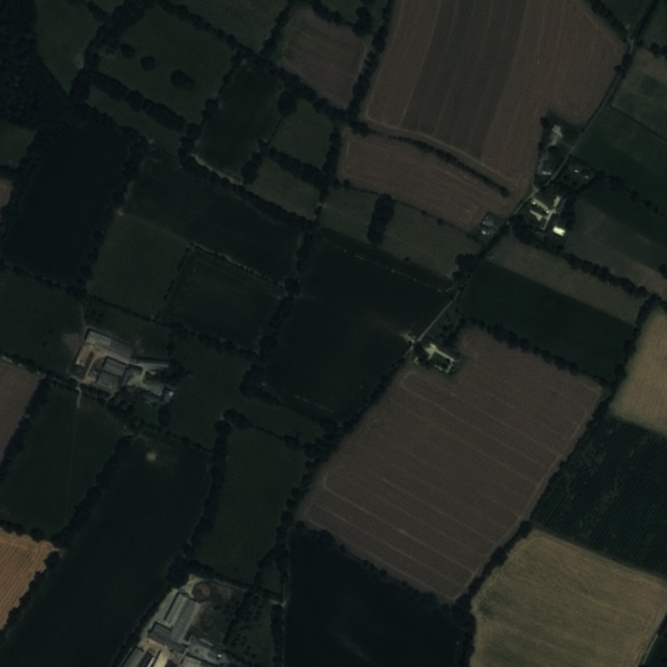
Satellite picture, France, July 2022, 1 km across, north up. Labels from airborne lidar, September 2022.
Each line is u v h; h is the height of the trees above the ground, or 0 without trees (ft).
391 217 59
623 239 0
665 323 0
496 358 0
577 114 0
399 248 0
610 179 21
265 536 0
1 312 0
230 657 38
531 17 0
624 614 0
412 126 0
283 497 0
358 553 0
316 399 0
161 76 0
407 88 0
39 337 0
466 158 0
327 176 51
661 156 0
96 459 0
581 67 0
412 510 0
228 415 43
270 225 0
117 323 0
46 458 0
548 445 0
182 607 0
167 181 0
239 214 0
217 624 0
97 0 0
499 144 0
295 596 0
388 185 0
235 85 0
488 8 0
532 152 0
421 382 0
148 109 57
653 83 0
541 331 0
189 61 0
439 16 0
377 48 51
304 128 0
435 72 0
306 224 52
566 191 35
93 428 0
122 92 70
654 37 0
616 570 0
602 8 51
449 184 0
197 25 49
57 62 0
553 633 0
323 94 0
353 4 0
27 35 72
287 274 0
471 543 0
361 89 54
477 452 0
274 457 0
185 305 0
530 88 0
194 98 0
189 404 0
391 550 0
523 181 0
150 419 0
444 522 0
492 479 0
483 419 0
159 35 0
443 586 0
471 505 0
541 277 0
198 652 0
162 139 0
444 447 0
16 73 69
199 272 0
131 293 0
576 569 0
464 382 0
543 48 0
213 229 0
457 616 52
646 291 35
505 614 0
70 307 0
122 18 63
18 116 60
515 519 0
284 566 43
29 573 0
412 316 0
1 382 0
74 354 0
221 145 0
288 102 83
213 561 0
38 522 0
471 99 0
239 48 34
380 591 0
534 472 0
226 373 0
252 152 0
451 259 0
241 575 0
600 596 0
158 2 31
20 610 22
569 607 0
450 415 0
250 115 0
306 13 0
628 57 41
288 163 61
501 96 0
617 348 0
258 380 54
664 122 0
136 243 0
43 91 117
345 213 0
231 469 0
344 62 0
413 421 0
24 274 39
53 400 0
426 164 0
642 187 0
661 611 0
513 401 0
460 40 0
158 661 0
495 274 0
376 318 0
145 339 0
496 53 0
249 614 28
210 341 66
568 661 0
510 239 0
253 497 0
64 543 67
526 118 0
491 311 0
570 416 0
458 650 0
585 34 0
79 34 0
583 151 0
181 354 0
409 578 0
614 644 0
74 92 47
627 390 0
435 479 0
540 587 0
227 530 0
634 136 0
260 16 0
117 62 0
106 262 0
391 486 0
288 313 58
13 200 38
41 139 61
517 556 0
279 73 35
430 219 0
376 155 0
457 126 0
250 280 0
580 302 0
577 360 0
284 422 0
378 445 0
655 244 0
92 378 0
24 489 0
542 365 0
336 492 0
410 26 0
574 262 63
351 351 0
